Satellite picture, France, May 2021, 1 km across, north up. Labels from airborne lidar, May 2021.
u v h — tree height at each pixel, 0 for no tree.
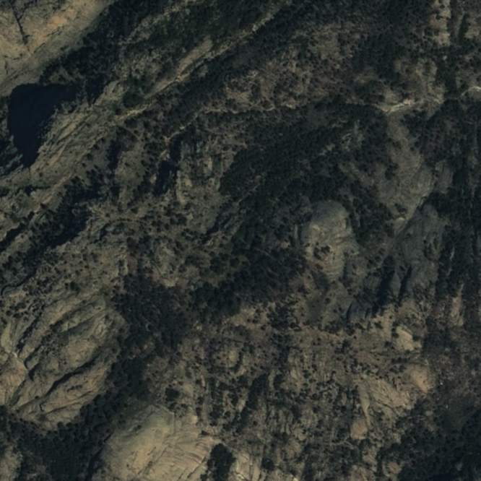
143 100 8
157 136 14
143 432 0
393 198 0
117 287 18
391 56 20
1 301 12
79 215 8
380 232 11
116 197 10
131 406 14
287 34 16
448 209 9
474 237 13
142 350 17
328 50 0
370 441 16
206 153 12
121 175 11
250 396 18
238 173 16
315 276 15
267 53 11
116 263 9
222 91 10
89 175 9
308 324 12
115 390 18
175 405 11
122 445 0
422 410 18
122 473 0
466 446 14
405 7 14
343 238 0
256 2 11
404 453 9
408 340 0
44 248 16
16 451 15
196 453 0
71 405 0
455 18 18
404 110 0
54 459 19
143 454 0
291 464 0
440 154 10
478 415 21
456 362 12
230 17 15
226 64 16
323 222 0
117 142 23
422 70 0
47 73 14
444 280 20
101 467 8
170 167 9
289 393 11
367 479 12
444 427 10
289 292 11
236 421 14
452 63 9
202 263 12
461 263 19
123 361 18
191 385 0
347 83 17
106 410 20
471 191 13
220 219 13
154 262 10
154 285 20
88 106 7
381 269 11
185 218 12
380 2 13
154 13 17
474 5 15
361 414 7
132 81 17
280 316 9
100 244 8
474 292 14
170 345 19
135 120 18
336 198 18
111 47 24
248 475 0
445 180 0
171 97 11
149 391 14
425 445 26
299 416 15
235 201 14
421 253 0
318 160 14
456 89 8
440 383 14
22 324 0
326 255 7
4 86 0
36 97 8
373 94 9
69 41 0
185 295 13
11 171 12
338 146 12
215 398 17
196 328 10
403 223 0
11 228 0
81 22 0
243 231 30
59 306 0
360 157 15
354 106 19
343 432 15
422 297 9
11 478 0
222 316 11
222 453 17
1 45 0
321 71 14
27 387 0
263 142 18
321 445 12
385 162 15
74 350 0
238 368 17
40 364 7
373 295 16
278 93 13
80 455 18
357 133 0
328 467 0
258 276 25
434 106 0
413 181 0
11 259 20
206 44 0
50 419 0
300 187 21
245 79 10
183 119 16
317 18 14
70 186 11
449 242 16
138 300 27
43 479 14
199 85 19
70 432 21
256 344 20
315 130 15
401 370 11
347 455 15
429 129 15
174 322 16
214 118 12
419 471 15
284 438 11
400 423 14
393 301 13
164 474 0
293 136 16
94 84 11
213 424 13
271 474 0
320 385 12
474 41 8
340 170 15
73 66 12
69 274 7
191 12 12
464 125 18
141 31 8
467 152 16
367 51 19
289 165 19
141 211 0
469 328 17
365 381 0
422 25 12
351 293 12
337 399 14
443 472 20
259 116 16
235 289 24
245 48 15
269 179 16
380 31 15
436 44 12
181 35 12
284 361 12
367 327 8
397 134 0
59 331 8
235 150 18
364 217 13
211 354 18
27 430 18
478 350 24
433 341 15
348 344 11
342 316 12
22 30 10
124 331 16
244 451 0
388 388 0
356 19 8
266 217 9
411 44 13
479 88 0
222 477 15
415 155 0
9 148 8
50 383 0
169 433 0
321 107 23
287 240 8
